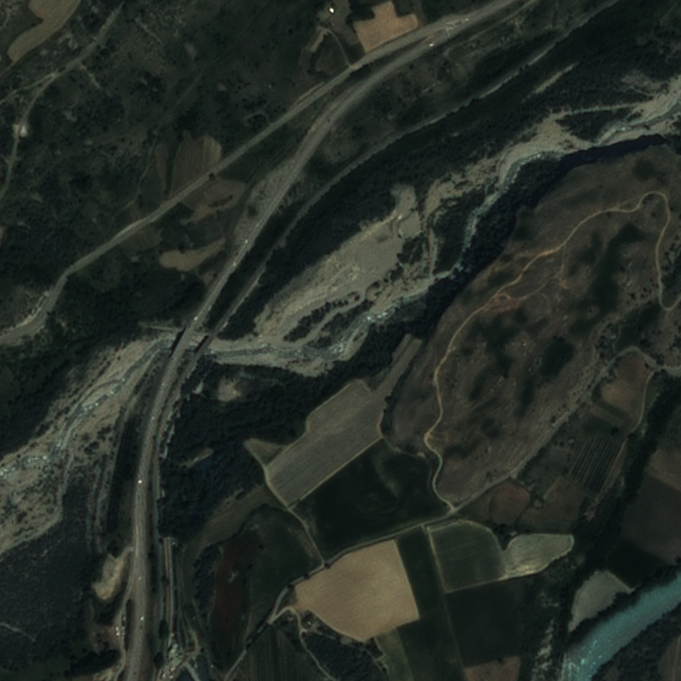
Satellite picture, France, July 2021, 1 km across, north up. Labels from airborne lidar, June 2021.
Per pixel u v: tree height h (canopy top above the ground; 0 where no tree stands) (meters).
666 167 0
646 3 11
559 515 0
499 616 0
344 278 0
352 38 0
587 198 0
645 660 10
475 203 8
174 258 0
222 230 0
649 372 0
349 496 0
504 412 0
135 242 0
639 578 0
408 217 0
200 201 0
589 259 0
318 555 0
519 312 0
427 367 0
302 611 0
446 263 7
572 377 0
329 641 6
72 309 8
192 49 0
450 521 0
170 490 21
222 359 0
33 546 6
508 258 0
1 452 7
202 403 11
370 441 0
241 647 0
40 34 0
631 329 0
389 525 0
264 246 14
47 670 0
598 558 14
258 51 0
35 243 12
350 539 0
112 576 0
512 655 0
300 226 11
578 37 12
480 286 0
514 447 0
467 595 0
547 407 0
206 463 0
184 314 0
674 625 10
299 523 0
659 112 0
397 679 0
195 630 0
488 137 8
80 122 7
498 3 0
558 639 7
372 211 10
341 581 0
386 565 0
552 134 0
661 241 0
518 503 0
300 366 0
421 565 0
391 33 0
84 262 0
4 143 8
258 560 0
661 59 8
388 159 7
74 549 7
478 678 0
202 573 6
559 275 0
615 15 10
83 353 13
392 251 0
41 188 6
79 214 7
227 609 0
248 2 0
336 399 0
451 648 0
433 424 0
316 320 7
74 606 12
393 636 0
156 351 0
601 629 0
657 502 0
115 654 10
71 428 0
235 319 14
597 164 0
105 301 17
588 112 10
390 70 0
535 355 0
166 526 19
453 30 0
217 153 0
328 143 0
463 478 0
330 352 0
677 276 7
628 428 0
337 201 6
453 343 0
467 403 0
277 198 0
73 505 5
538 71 6
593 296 0
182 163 0
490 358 0
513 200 17
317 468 0
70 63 0
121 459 7
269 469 0
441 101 0
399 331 13
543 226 0
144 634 0
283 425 18
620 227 0
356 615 0
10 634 6
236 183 0
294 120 0
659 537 0
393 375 0
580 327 0
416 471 0
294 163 0
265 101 6
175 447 16
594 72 9
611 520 11
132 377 0
